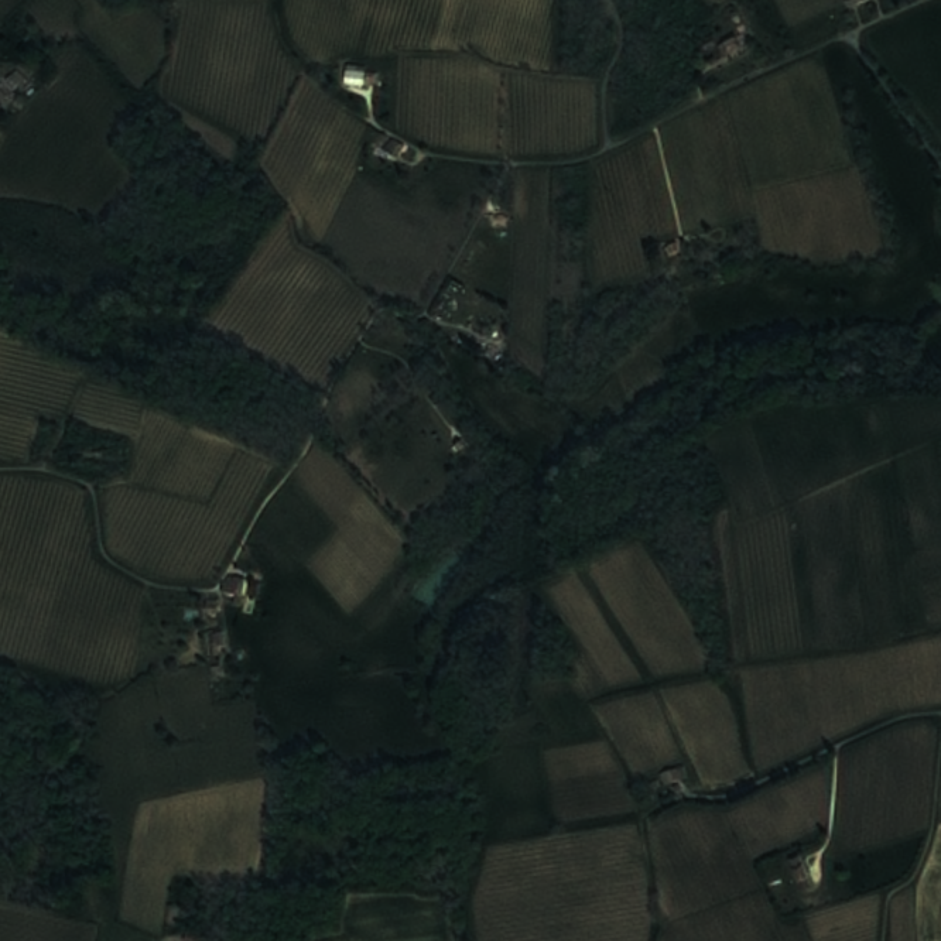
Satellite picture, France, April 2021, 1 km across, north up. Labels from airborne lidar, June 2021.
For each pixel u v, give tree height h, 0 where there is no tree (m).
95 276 10
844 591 0
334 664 0
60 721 23
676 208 0
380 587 0
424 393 18
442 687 19
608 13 16
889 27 0
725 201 0
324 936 18
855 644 0
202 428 15
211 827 0
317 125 0
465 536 27
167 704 0
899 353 18
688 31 8
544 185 0
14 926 0
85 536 0
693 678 0
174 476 0
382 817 25
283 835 17
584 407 0
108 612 0
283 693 0
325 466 0
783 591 0
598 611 0
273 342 0
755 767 0
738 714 0
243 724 0
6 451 0
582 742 0
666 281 11
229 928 21
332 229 0
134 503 0
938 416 0
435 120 0
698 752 0
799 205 0
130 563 0
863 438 0
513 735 0
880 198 17
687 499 21
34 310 25
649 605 0
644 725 0
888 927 0
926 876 0
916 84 0
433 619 12
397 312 19
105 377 21
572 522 21
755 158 0
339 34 0
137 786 0
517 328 0
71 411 0
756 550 0
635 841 0
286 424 19
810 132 0
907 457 0
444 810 23
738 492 0
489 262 0
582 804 0
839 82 0
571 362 10
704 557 15
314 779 24
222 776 0
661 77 6
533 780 0
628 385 0
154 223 26
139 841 0
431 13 0
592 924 0
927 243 0
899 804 0
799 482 0
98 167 0
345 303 0
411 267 0
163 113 21
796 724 0
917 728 0
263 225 15
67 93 0
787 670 0
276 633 0
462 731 25
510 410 0
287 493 0
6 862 23
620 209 0
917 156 0
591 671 0
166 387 27
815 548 0
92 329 28
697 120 0
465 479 14
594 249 0
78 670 0
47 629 0
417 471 0
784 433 0
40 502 0
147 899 0
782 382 22
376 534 0
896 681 0
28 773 28
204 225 24
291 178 0
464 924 16
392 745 0
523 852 0
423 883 20
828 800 0
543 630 18
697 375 10
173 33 7
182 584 0
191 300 24
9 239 10
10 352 0
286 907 18
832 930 0
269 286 0
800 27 0
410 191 0
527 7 0
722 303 0
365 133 0
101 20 0
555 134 0
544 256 0
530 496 10
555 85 0
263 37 0
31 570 0
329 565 0
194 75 0
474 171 0
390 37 0
